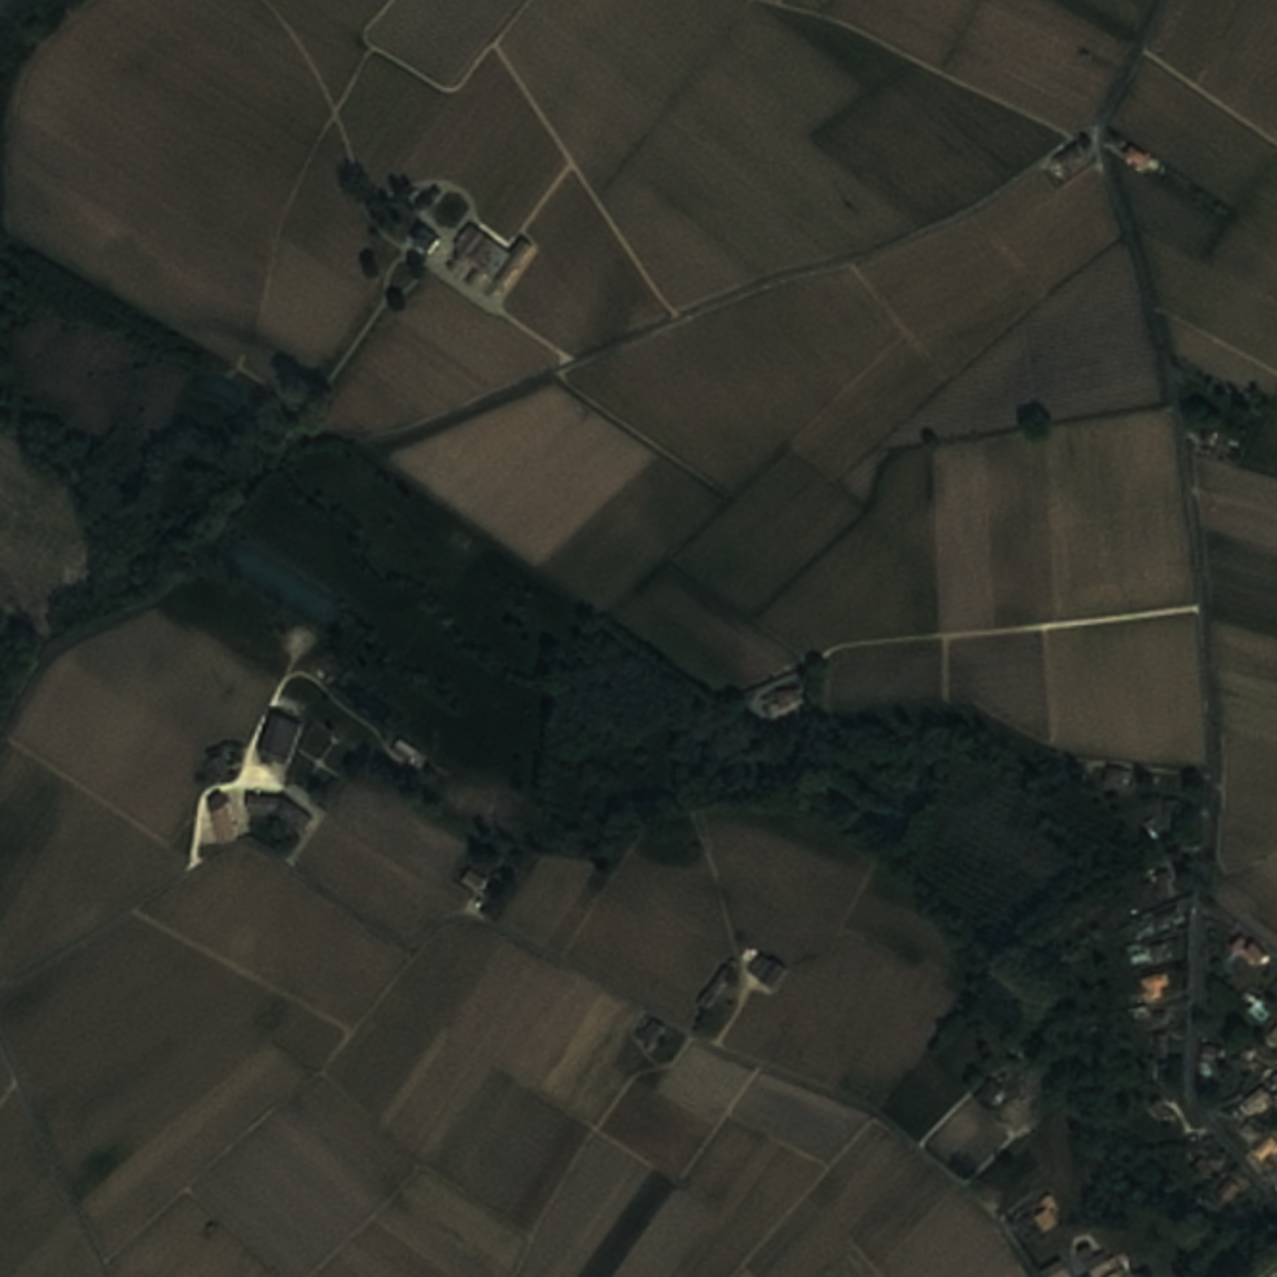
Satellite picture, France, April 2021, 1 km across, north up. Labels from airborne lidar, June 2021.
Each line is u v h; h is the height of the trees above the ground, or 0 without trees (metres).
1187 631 0
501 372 0
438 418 0
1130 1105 16
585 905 0
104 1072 0
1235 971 0
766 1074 0
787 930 0
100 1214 0
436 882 0
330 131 0
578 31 0
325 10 0
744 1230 0
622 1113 0
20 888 0
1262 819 0
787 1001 0
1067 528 0
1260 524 0
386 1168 0
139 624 0
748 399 0
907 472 0
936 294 0
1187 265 0
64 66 0
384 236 10
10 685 18
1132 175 0
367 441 0
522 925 0
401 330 0
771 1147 0
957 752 19
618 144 0
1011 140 0
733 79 0
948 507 0
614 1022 0
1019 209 0
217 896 0
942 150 0
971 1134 0
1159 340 0
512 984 0
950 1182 0
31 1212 0
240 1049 0
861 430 0
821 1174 0
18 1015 0
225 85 0
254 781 0
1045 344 0
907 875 19
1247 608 0
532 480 0
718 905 0
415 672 7
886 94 0
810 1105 0
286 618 20
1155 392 0
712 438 0
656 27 0
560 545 0
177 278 0
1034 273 0
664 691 20
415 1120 0
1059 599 0
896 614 0
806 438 0
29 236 0
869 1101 0
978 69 0
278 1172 0
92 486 22
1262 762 0
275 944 0
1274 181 0
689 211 0
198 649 0
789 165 0
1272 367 0
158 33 0
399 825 0
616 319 0
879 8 0
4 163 0
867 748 23
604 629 14
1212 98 0
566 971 0
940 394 0
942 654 0
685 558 0
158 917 0
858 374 0
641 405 0
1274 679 0
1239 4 0
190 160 0
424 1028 0
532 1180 0
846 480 0
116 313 6
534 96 0
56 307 12
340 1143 0
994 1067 8
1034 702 0
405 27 0
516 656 0
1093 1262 0
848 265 0
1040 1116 0
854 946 0
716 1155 0
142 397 0
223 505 13
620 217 0
